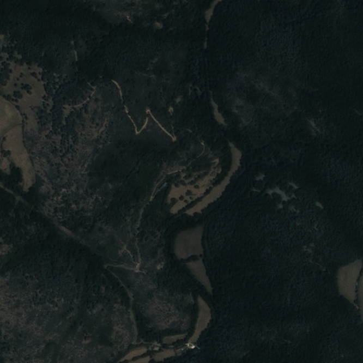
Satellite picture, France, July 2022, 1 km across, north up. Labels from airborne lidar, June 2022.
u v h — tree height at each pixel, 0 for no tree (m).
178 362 17
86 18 20
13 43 13
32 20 19
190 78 10
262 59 10
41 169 0
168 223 16
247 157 14
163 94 10
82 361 0
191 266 0
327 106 9
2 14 17
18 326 0
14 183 15
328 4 19
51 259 15
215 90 11
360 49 18
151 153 14
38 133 0
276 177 13
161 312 0
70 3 16
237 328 14
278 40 26
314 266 8
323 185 12
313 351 17
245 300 18
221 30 10
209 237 12
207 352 22
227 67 12
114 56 19
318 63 19
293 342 13
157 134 0
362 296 0
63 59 19
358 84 17
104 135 0
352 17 21
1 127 0
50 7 18
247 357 17
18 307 11
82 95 16
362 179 8
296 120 12
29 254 14
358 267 0
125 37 23
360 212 12
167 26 23
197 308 17
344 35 15
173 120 13
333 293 12
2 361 6
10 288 6
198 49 23
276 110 7
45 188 0
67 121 16
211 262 15
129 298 14
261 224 13
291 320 14
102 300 9
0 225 10
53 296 16
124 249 0
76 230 7
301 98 9
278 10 21
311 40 22
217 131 9
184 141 12
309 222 9
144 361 0
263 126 14
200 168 15
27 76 0
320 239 9
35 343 0
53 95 13
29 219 8
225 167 11
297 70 12
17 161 0
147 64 13
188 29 13
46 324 0
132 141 11
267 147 17
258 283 17
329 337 13
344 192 9
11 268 9
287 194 9
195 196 0
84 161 0
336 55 21
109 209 11
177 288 12
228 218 11
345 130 14
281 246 6
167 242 9
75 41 13
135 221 12
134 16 11
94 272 20
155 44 13
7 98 10
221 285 17
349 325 14
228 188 13
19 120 0
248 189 12
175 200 14
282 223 11
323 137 11
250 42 10
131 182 12
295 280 8
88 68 19
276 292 17
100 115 0
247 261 18
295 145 19
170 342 0
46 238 6
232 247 17
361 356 12
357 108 8
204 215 14
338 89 15
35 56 17
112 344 12
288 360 18
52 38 19
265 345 19
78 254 8
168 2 18
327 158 8
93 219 6
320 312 18
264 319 18
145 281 0
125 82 8
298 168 19
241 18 12
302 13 20
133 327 0
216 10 15
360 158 27
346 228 16
